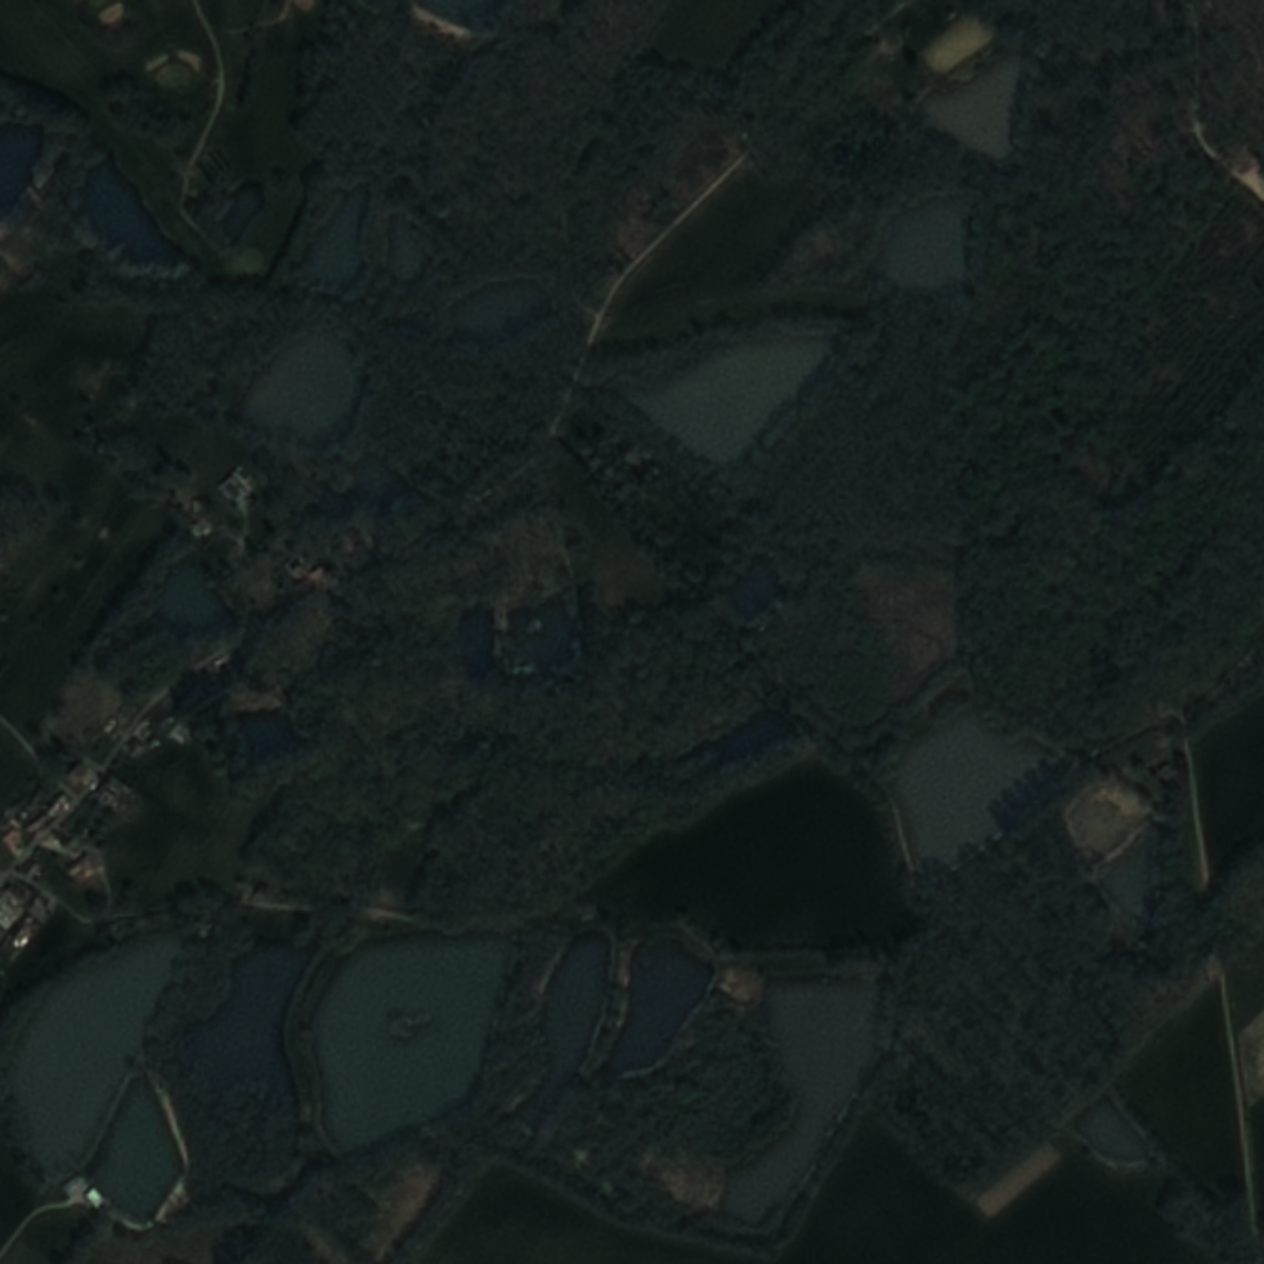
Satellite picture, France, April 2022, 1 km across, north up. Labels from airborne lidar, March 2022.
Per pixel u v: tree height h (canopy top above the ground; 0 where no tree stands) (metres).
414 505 24
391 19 22
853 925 0
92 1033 0
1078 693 21
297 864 22
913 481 26
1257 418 26
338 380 0
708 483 15
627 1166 7
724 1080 13
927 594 0
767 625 6
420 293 18
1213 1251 15
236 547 0
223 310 23
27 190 0
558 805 24
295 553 10
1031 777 0
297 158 0
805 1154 0
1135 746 11
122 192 0
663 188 20
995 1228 0
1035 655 24
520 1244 0
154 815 0
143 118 18
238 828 0
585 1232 0
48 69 0
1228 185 22
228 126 0
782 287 19
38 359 0
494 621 0
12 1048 10
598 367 23
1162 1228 0
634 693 24
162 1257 0
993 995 22
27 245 0
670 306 0
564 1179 16
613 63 21
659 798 24
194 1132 14
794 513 25
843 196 7
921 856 0
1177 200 18
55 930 0
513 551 21
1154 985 30
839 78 22
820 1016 0
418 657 17
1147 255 24
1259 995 0
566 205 20
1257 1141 0
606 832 21
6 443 0
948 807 0
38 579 0
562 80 22
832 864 0
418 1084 0
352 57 25
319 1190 22
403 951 0
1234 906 24
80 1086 0
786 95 22
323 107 23
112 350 0
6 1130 15
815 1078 0
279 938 0
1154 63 25
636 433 17
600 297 19
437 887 22
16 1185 0
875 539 14
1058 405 7
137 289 17
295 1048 0
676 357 11
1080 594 26
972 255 14
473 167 19
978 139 0
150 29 0
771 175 19
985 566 26
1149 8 23
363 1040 0
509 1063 18
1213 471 22
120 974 0
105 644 11
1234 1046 0
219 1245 0
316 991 0
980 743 0
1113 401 20
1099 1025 33
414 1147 21
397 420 26
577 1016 0
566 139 20
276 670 24
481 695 19
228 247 17
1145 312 18
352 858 26
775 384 0
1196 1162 0
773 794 0
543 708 22
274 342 21
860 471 23
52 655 0
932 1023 32
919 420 26
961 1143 25
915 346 25
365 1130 0
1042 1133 21
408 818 23
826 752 17
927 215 0
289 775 22
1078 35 25
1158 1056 0
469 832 26
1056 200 23
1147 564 26
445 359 25
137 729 0
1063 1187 0
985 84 0
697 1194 0
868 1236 0
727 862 0
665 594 0
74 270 0
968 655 7
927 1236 0
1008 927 27
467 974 0
